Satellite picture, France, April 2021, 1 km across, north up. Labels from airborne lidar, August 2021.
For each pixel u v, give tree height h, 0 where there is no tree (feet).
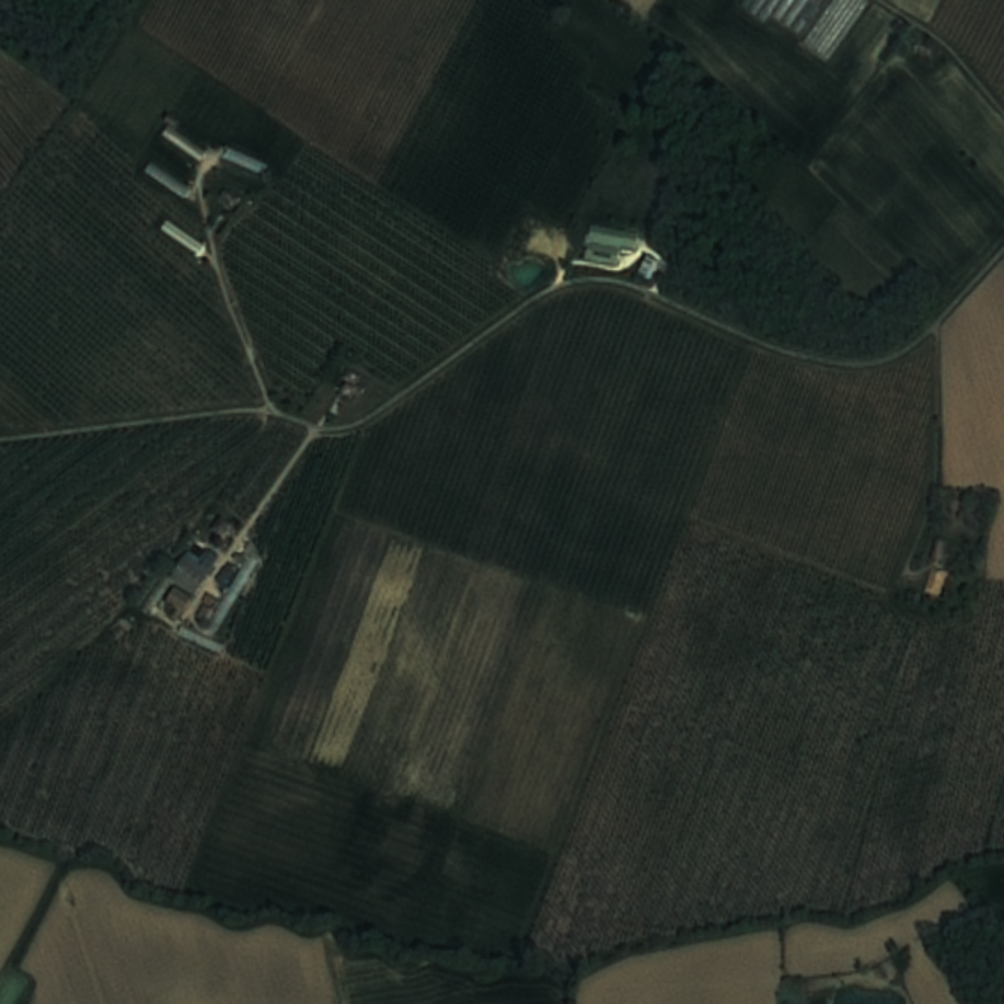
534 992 0
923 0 0
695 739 18
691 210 69
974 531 45
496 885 0
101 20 66
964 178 0
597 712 0
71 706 22
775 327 65
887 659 19
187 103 0
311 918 46
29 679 20
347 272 18
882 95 0
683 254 46
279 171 0
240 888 0
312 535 20
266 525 19
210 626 38
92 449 18
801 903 20
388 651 0
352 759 0
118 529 23
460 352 0
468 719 0
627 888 20
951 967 31
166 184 0
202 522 0
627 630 0
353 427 0
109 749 18
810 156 0
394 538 0
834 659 20
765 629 17
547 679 0
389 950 50
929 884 26
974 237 0
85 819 20
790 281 78
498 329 0
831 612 23
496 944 0
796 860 22
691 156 64
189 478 18
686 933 34
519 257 0
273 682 0
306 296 18
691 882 25
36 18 52
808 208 0
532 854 0
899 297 63
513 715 0
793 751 22
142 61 0
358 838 0
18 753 19
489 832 0
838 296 75
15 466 24
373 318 21
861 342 75
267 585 21
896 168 0
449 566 0
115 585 19
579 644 0
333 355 30
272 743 0
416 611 0
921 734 19
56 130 26
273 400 32
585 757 0
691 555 23
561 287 0
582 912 21
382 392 0
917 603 23
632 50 0
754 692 19
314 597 0
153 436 24
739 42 0
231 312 0
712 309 56
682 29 0
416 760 0
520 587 0
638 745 24
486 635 0
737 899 24
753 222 74
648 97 69
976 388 0
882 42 0
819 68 0
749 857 25
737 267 77
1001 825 18
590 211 0
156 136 0
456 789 0
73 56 56
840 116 0
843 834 21
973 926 63
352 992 0
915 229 0
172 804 18
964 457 0
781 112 0
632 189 0
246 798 0
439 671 0
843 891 20
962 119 0
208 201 24
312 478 18
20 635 19
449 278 19
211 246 0
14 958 0
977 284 0
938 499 48
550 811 0
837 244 0
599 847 18
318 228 21
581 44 0
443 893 0
